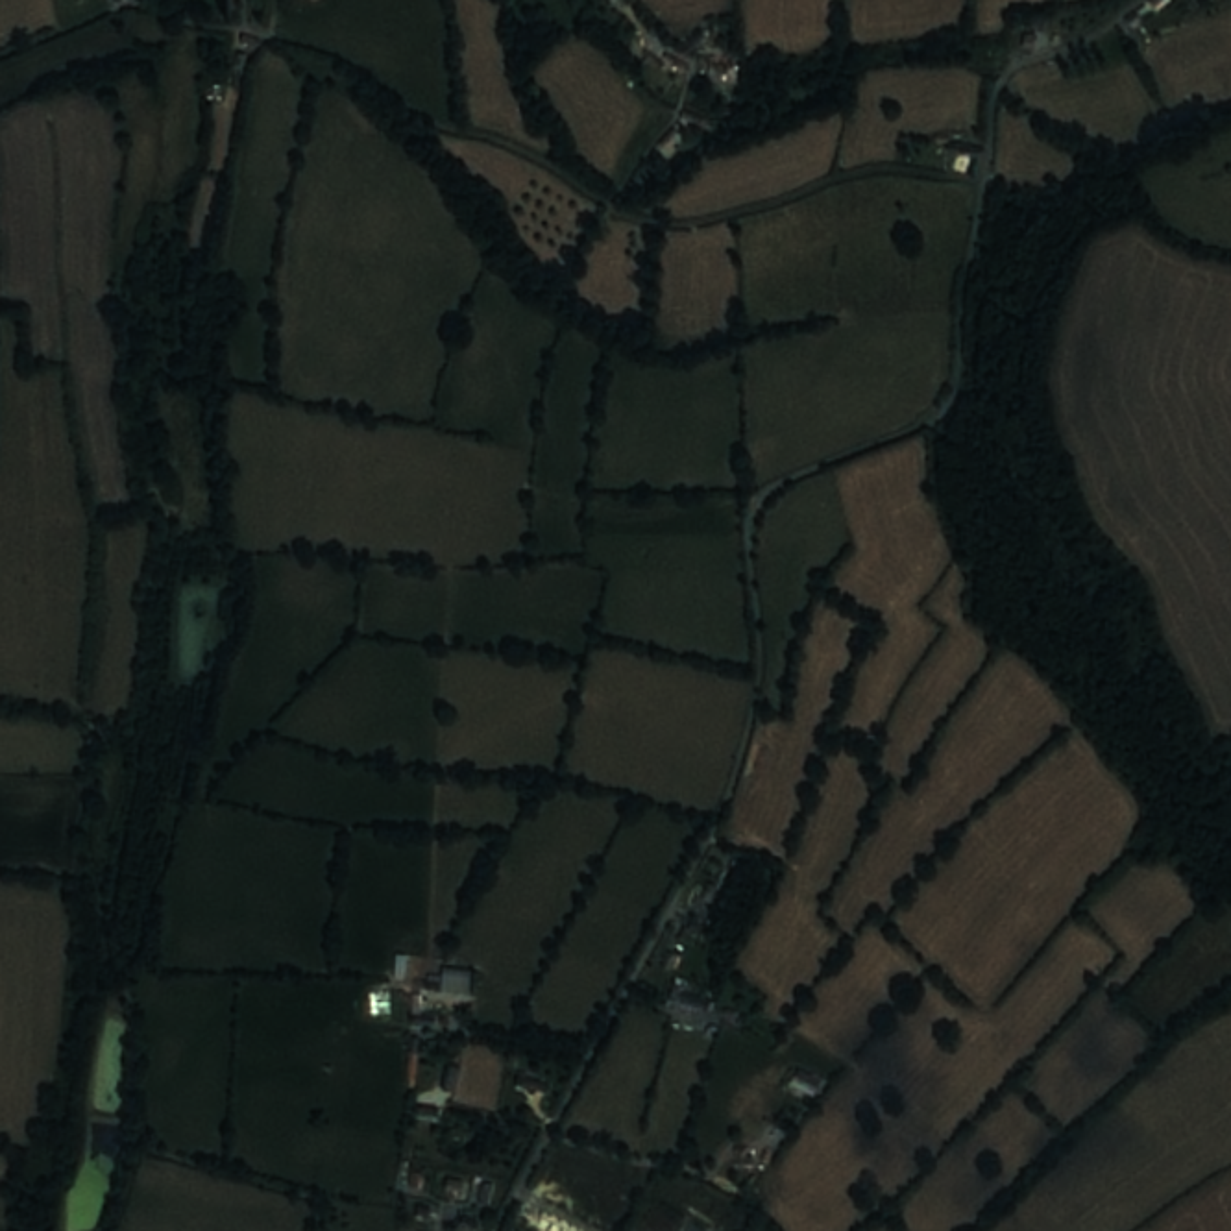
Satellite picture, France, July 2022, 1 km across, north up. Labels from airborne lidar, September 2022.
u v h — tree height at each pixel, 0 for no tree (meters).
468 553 0
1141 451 0
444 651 15
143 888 11
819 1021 0
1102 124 0
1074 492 13
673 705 0
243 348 0
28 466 0
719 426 0
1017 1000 0
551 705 0
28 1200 14
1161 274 0
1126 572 13
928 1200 0
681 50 6
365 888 0
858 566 0
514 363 0
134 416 10
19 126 0
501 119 0
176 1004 0
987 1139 0
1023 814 0
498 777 7
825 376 0
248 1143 0
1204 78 0
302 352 0
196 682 8
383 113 21
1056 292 18
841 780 0
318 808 0
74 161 0
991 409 21
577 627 0
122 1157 8
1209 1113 0
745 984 12
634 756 0
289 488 0
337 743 0
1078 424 0
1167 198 0
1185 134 36
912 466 0
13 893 0
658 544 0
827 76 18
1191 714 14
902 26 0
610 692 0
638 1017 0
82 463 7
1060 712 0
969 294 9
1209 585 0
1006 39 6
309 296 0
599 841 0
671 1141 0
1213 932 0
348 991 0
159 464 14
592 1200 0
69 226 0
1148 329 0
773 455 0
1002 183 14
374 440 0
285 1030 0
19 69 0
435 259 0
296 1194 17
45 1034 0
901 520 0
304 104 8
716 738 0
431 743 0
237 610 20
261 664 0
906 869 0
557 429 0
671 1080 0
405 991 0
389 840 9
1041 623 22
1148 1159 0
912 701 0
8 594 0
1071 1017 8
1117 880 7
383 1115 0
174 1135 0
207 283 20
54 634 0
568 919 9
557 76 0
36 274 0
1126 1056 0
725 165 0
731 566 0
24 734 0
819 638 0
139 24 0
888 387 0
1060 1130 7
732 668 12
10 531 0
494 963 0
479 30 0
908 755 0
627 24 7
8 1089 0
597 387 12
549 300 27
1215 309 0
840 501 0
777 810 0
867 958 0
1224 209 0
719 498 6
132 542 0
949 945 0
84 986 19
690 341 0
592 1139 14
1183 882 16
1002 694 0
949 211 0
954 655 0
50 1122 12
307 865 0
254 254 0
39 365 12
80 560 0
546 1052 15
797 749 0
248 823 0
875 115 0
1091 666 16
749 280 0
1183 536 0
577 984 0
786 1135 16
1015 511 20
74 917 13
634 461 0
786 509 0
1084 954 0
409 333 0
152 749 11
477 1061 0
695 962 0
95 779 6
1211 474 0
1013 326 22
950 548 8
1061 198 18
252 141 0
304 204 0
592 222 21
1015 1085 11
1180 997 0
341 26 0
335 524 0
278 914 0
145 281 19
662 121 0
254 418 0
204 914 0
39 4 0
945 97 0
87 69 17
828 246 0
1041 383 16
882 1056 0
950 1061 0
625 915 0
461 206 17
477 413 0
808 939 0
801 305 0
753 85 19
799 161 0
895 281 0
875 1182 21
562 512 0
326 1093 0
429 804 0
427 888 0
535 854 0
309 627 0
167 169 0
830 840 0
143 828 11
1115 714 22
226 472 19
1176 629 0
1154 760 18
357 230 0
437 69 0
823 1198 0
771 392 0
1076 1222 0
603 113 0
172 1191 0
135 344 15
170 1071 0
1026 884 0
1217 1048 0
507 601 0
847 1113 0
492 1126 9
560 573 0
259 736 12
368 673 0
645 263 19
